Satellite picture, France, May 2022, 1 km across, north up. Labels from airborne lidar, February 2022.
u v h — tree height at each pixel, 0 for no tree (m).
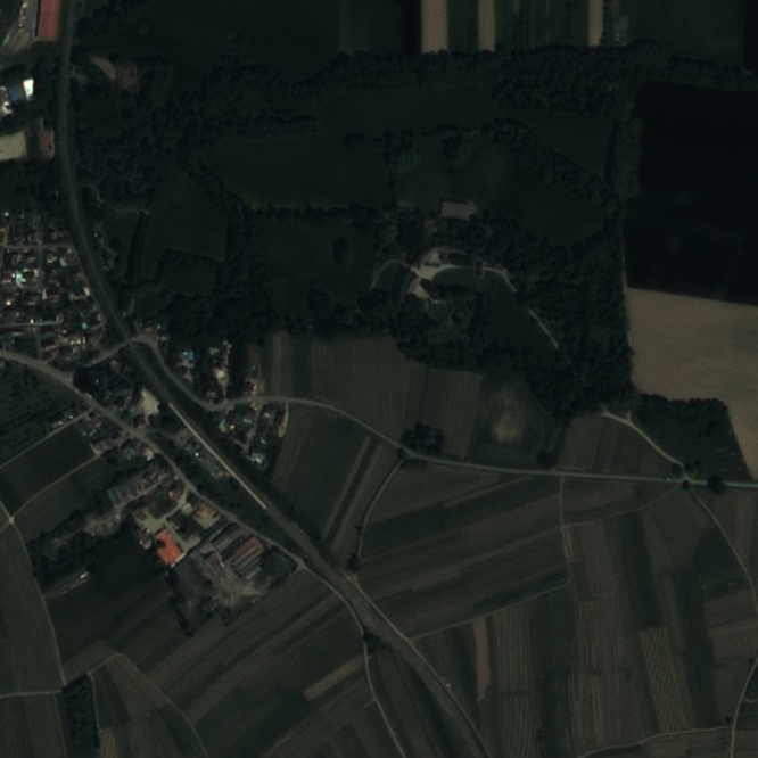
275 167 0
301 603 0
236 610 0
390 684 0
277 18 0
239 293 17
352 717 0
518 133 22
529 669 0
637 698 0
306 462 0
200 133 19
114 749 0
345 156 0
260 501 0
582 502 0
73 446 0
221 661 0
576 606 0
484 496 0
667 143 0
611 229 18
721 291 0
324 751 0
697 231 0
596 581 0
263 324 20
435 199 0
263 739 0
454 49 0
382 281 0
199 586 0
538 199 0
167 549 0
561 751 0
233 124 14
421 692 0
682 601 0
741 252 0
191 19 0
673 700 0
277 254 0
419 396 0
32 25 0
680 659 0
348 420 0
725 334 0
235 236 18
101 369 14
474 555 0
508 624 0
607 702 0
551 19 0
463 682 0
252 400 0
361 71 24
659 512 0
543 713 0
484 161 0
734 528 0
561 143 0
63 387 0
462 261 13
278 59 0
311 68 0
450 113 0
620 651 0
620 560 0
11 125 18
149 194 15
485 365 20
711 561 0
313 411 0
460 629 0
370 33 0
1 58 0
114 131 0
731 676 0
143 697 0
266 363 0
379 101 0
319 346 0
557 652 0
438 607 0
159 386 0
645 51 24
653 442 0
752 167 0
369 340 0
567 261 27
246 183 0
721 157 0
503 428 0
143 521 0
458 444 0
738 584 0
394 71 19
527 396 0
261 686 0
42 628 0
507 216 0
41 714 0
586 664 0
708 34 0
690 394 0
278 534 0
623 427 0
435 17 0
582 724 0
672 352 0
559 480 0
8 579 0
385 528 0
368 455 0
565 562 0
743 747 0
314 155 0
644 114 0
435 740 0
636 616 0
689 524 0
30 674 0
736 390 0
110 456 7
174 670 0
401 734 0
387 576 0
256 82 20
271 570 0
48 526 0
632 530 0
